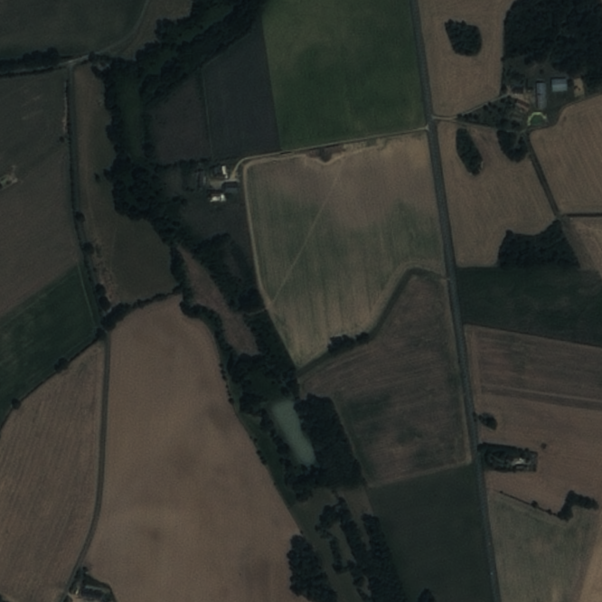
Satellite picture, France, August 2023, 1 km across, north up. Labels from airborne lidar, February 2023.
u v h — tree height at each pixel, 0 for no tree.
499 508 0
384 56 0
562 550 0
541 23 16
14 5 0
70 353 0
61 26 0
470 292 0
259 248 0
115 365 0
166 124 0
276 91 0
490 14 0
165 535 0
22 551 0
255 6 25
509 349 0
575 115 0
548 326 0
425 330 0
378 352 0
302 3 0
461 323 0
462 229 0
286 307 0
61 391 0
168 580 0
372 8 0
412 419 0
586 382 0
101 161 0
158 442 0
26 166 0
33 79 0
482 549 0
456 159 0
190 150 0
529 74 0
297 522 0
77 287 0
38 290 0
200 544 0
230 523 0
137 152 0
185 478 0
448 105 0
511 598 0
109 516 0
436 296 0
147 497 0
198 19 15
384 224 0
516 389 0
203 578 0
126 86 0
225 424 0
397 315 0
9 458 0
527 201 0
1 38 0
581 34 14
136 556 0
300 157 0
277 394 0
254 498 0
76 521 0
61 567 0
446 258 0
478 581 0
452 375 0
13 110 0
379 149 0
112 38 0
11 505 0
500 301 0
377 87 0
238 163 0
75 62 0
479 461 0
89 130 0
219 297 32
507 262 9
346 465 20
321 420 18
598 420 0
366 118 0
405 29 0
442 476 0
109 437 0
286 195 0
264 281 0
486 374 0
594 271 0
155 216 14
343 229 0
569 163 0
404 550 0
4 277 0
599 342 0
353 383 0
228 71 0
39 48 0
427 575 0
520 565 0
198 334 0
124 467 0
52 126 0
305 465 0
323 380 0
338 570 21
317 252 0
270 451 0
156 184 11
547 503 0
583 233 0
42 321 0
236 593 0
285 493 0
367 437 0
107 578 0
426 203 0
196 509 0
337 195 0
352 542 23
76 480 0
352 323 0
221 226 0
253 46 0
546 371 0
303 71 0
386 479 0
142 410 0
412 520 0
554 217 0
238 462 0
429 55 0
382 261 0
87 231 0
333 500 0
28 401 0
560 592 0
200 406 0
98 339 11
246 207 0
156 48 14
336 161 0
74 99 0
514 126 13
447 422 0
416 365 0
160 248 0
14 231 0
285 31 0
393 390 0
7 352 0
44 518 0
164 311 0
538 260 11
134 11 0
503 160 0
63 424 0
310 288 0
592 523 0
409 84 0
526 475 0
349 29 0
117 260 0
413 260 0
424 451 0
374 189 0
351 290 0
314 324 0
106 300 13
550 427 0
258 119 0
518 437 0
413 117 0
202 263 30
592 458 0
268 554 0
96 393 0
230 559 0
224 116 0
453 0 0
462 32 14
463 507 0
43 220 0
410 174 0
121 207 15
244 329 9
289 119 0
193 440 0
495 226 0
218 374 0
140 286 0
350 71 0
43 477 0
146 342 0
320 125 0
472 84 0
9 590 0
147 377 0
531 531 0
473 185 0
